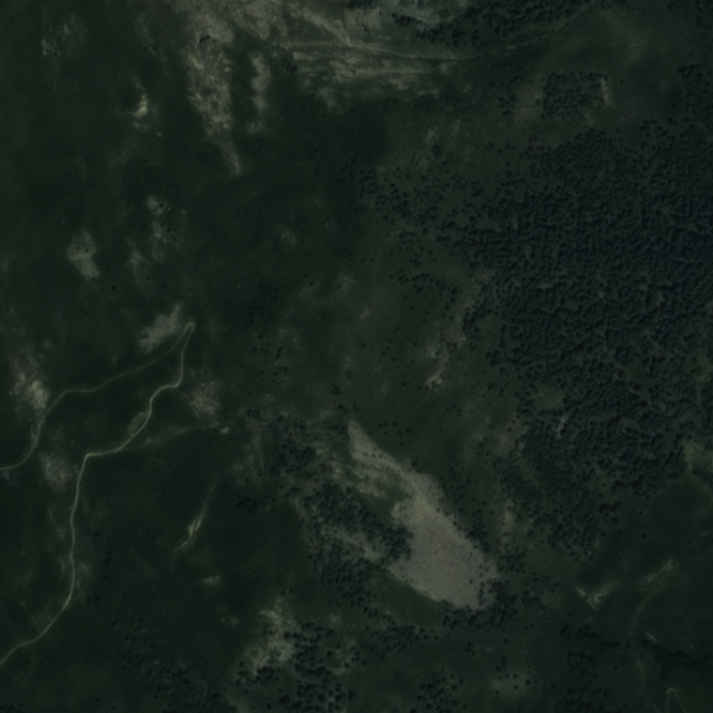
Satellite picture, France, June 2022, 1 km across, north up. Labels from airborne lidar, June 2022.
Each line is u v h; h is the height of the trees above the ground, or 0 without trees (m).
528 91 0
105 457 0
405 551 8
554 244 22
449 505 0
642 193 14
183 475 0
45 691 0
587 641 20
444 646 0
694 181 9
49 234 0
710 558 0
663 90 0
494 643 0
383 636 10
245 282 0
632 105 0
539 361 18
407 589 0
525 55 7
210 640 0
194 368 0
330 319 0
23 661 0
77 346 0
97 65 0
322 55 0
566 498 8
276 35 0
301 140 0
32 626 0
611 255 28
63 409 0
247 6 0
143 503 0
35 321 0
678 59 0
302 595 0
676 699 0
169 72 0
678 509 0
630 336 25
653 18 0
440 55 0
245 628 0
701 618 0
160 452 0
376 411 0
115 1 0
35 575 0
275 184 0
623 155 7
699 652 0
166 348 0
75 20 0
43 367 0
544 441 7
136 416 0
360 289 0
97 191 0
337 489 13
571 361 22
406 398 0
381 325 0
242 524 0
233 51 0
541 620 0
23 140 0
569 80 11
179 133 0
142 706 0
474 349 8
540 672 0
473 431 0
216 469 0
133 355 0
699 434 11
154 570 0
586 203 12
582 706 14
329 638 17
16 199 0
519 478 7
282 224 0
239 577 0
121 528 0
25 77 0
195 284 0
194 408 0
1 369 0
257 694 0
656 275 27
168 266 0
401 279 9
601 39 0
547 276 23
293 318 0
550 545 8
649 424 25
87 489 0
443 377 6
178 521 0
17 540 0
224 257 0
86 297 0
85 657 0
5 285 0
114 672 0
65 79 0
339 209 0
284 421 11
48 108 0
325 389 0
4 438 0
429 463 0
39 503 0
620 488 23
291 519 0
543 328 21
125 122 0
